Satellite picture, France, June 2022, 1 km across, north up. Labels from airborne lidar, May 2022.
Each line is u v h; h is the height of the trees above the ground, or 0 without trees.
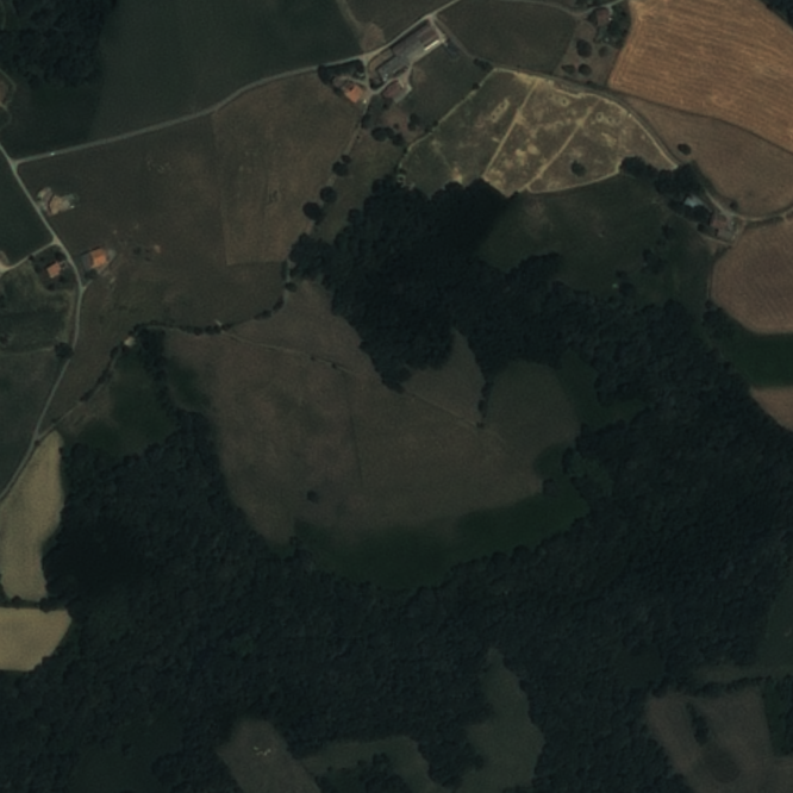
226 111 0
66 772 16
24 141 0
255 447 0
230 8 0
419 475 0
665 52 0
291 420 0
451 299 24
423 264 26
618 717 21
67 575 17
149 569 14
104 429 0
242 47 0
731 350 0
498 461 0
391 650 18
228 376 0
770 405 0
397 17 0
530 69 0
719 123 0
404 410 0
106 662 14
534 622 21
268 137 0
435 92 0
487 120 0
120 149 0
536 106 0
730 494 14
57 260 11
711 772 0
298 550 10
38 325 0
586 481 21
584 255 0
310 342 0
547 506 0
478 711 19
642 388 20
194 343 0
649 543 14
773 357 0
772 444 20
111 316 0
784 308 0
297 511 0
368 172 0
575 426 0
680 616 24
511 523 0
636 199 0
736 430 25
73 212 0
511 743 0
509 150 0
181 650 23
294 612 17
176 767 18
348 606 29
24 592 0
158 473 24
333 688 19
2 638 0
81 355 0
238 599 19
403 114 0
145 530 7
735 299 0
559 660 22
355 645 23
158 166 0
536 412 0
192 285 0
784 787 0
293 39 0
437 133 0
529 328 31
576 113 0
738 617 22
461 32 0
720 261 0
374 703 22
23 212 0
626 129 0
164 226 0
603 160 0
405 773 0
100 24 19
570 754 25
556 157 0
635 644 14
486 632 24
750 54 0
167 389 6
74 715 19
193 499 24
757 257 0
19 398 0
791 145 0
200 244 0
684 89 0
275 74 0
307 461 0
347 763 0
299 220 0
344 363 0
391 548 0
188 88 0
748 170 0
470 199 21
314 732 24
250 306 0
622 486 24
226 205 0
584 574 17
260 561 22
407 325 21
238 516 13
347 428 0
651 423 12
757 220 0
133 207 0
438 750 21
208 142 0
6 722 28
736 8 0
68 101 0
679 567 21
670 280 0
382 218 24
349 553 0
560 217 0
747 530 11
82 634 11
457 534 0
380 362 23
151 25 0
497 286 28
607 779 18
